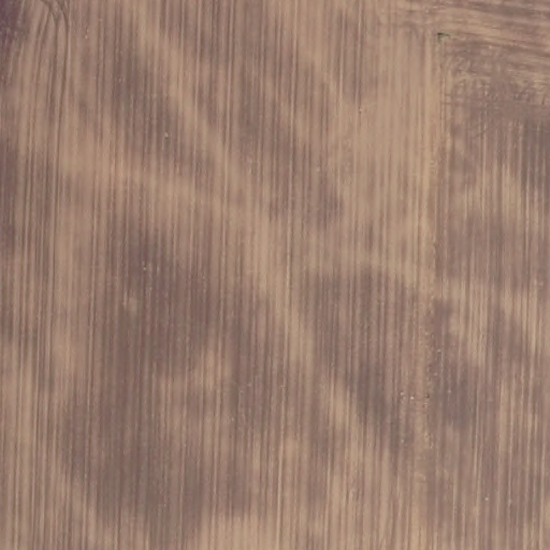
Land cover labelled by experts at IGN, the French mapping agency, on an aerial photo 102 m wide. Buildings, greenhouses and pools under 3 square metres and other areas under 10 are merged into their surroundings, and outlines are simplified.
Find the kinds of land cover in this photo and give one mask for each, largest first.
<instances>
[{"label":"agricultural land","instance_id":"1","mask_svg":"<svg viewBox=\"0 0 550 550\"><path fill-rule=\"evenodd\" d=\"M0 550H550V0H0Z\"/></svg>","mask_w":550,"mask_h":550}]
</instances>
